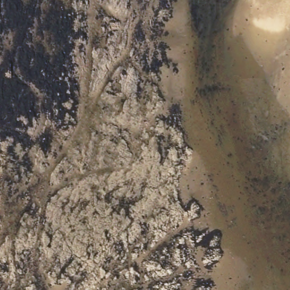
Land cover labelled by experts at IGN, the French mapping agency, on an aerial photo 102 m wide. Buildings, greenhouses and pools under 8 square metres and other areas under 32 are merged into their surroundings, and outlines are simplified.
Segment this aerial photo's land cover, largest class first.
<instances>
[{"label":"bare soil","instance_id":"1","mask_svg":"<svg viewBox=\"0 0 290 290\"><path fill-rule=\"evenodd\" d=\"M65 3L66 9L72 7L76 10L74 31L87 26V39L76 40L75 48L70 52L72 62L78 66L72 72H61L59 77V80H65L67 86H70L71 77L76 78L79 83L77 116L72 118L66 114L65 122H54L50 120V112H44L40 114L39 119H33V126L28 125L25 117L17 119L22 121L23 125L16 128V131L28 134L32 139L43 134L46 128H51L53 138L49 153L43 154L39 145L23 148L17 144L15 152L19 157L16 160L7 154V148L14 138L7 137L5 142L0 143V290H239L241 281L248 275L247 265L240 257L233 256L229 248L222 249V232L213 227L211 220L210 201L214 198V189L204 176L206 169L201 156L188 150V133L179 125L182 116L179 104H170L171 97L178 101L184 99L186 94V61L190 58V50L194 44L188 0H61ZM160 43L169 46L167 57L177 63L178 72H173V69L167 66H162L161 71L156 74L143 70V61L140 59L143 58L145 49H150L148 65L152 63L154 52H157V59H162L161 50L154 48ZM251 17L254 18L253 23L256 27L265 31L281 32L290 26V0H251ZM39 25L37 18H34L33 27L29 28L32 41L27 42V45L41 44L46 53L57 56L63 49L62 45L54 44L53 34L49 31H44L43 36L37 35ZM14 45V35L0 33V63Z\"/></svg>","mask_w":290,"mask_h":290},{"label":"water","instance_id":"2","mask_svg":"<svg viewBox=\"0 0 290 290\"><path fill-rule=\"evenodd\" d=\"M194 44L190 50V58L186 61V94L184 99L178 101L171 97L170 104H179L182 116L179 125L188 133V150L201 156L206 169L204 176L214 189V198L210 201L211 220L213 227L222 232V249L229 248L233 256L240 257L247 265L248 275L241 281L239 290H290V26L281 32L265 31L256 27L253 23L254 18L251 17V0H188Z\"/></svg>","mask_w":290,"mask_h":290},{"label":"herbaceous vegetation","instance_id":"3","mask_svg":"<svg viewBox=\"0 0 290 290\"><path fill-rule=\"evenodd\" d=\"M34 18H37L39 25L37 35L43 36L44 31H49L53 34L54 44L62 45L63 49L57 56L46 53L41 44L27 45V42L32 41L29 28L33 27ZM76 10L72 7L66 9L65 3L61 0H0V33L14 35V45L0 63V143L5 142L7 137L14 138L7 148V154L16 160L19 157L15 152L17 144L23 148L39 145L43 154L49 153L53 138L51 128H46L43 134L32 139L28 134L16 131V128L23 125L22 121L17 119L25 117L28 125L33 126V119H39L40 114L44 112H50V120L54 122H65L66 114L72 118L77 116L79 83L76 78L71 77L70 86H67L65 80H59V77L61 72H72L78 66L72 62L70 52L75 48L76 40L87 39V26L74 31ZM154 48L161 50L162 59H157V52H154L152 63L148 65L150 49H145L143 58L140 59L143 61V70L156 74L161 71L162 66H167L173 69V72H178L177 63L167 57L169 46L160 43Z\"/></svg>","mask_w":290,"mask_h":290}]
</instances>
